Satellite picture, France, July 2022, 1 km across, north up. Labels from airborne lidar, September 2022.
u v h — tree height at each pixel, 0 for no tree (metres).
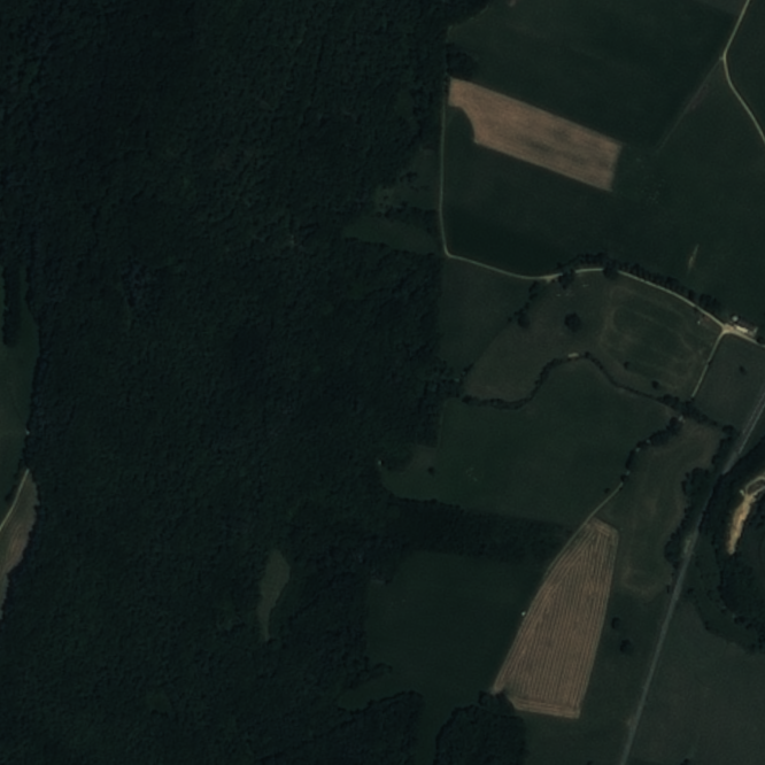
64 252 24
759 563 0
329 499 18
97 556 16
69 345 24
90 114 25
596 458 0
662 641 0
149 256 25
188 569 15
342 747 21
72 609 8
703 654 0
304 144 19
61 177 21
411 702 15
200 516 14
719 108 0
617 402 0
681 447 0
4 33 9
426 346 15
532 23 0
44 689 11
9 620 18
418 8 8
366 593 17
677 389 0
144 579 13
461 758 21
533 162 0
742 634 0
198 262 15
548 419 0
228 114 10
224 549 17
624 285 0
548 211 0
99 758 9
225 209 16
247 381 14
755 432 0
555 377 0
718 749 0
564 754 0
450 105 0
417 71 10
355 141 21
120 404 12
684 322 0
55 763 15
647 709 0
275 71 11
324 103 17
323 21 15
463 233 0
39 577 25
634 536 0
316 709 17
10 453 0
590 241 0
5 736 12
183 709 11
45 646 7
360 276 17
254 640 11
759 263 0
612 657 0
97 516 11
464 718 21
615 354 0
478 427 0
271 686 15
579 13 0
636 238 0
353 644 21
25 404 0
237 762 13
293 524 6
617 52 0
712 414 0
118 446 9
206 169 14
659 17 0
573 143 0
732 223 0
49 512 24
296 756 16
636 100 0
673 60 0
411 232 0
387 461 12
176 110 20
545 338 0
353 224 22
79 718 14
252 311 16
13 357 0
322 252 14
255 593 12
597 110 0
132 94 29
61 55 22
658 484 0
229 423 23
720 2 0
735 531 0
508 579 0
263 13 14
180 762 21
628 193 0
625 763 0
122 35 21
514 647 0
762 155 0
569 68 0
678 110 0
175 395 15
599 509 0
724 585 10
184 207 14
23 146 11
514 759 13
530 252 0
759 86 0
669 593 7
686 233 0
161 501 10
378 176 17
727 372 0
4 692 15
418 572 0
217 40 18
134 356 14
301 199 17
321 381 18
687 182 0
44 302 12
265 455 13
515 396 0
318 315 20
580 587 0
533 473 0
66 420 19
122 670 8
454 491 0
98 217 19
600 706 0
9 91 28
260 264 18
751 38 0
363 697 0
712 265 0
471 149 0
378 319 19
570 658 0
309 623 19
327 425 18
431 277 9
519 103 0
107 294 22
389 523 7
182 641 16
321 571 19
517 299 0
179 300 15
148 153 13
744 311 0
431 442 19
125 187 20
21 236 21
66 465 17
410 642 0
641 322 0
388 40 25
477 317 0
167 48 23
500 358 0
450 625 0
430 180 0
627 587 0
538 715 0
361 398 23
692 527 10
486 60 0
